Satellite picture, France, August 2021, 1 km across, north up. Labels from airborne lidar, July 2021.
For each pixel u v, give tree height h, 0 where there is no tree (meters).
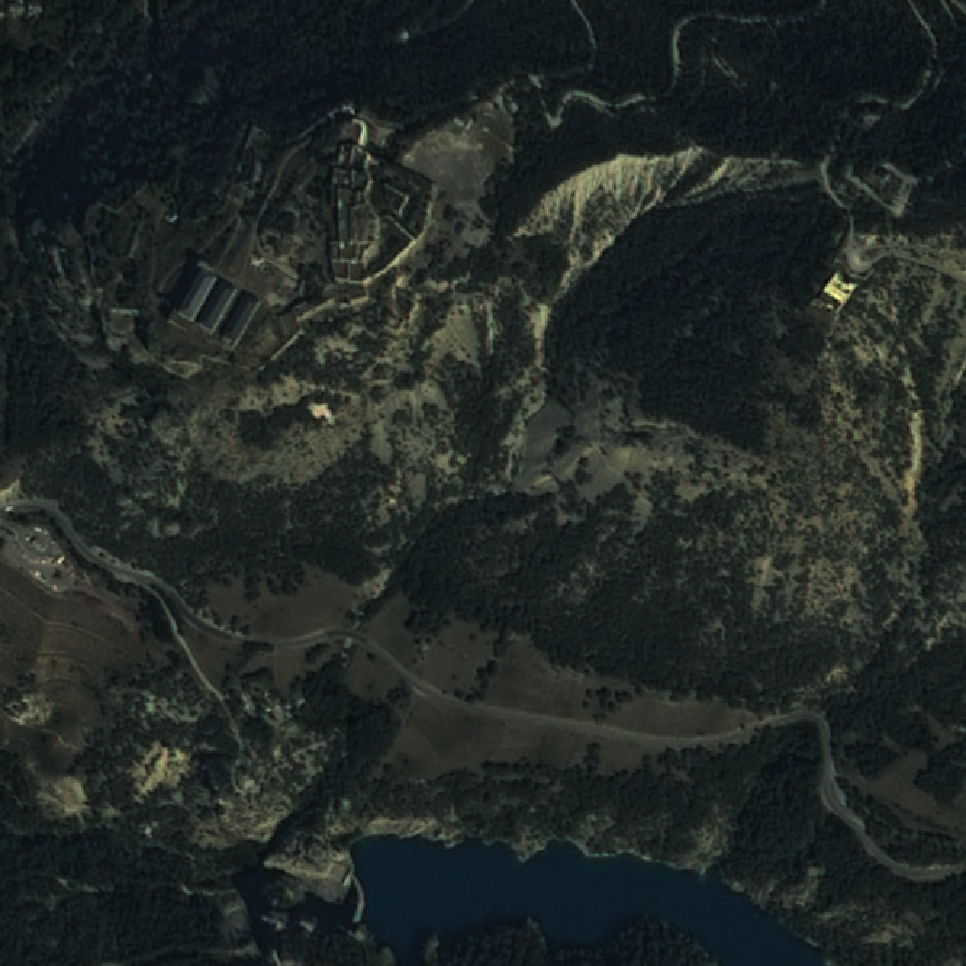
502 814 12
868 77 8
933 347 6
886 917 10
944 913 21
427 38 8
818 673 9
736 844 6
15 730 0
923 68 14
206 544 11
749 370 11
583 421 0
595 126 8
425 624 9
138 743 6
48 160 7
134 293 11
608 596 8
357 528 9
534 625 11
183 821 8
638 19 7
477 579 5
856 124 9
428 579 17
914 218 7
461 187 0
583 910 0
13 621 0
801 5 8
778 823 16
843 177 6
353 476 8
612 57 11
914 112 6
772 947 0
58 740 0
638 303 13
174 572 8
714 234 13
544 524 8
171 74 12
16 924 12
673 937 10
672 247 6
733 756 12
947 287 6
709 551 7
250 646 8
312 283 8
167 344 0
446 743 0
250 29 8
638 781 13
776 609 7
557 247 8
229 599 0
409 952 0
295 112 10
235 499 8
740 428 11
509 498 12
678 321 7
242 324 0
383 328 12
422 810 8
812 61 11
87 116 9
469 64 11
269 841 10
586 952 16
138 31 8
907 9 11
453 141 0
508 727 0
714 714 0
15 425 12
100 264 6
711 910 0
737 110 9
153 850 7
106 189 6
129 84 5
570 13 11
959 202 6
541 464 0
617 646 9
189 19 11
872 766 13
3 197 12
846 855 11
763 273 11
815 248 11
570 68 12
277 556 6
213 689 0
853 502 6
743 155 6
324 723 13
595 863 0
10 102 6
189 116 9
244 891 0
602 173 0
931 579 9
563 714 0
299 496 6
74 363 9
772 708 9
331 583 0
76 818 8
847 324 6
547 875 0
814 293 10
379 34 7
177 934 14
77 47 9
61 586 0
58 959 9
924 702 9
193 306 0
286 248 0
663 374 13
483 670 9
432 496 8
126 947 12
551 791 9
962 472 13
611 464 0
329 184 7
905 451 7
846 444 6
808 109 7
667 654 13
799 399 7
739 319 9
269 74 12
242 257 0
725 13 9
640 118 9
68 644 0
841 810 0
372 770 10
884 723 10
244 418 8
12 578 0
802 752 12
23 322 10
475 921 0
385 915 0
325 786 8
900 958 16
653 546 9
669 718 0
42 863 10
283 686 0
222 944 12
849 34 15
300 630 0
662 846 12
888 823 11
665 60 7
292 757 7
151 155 11
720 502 8
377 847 0
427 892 0
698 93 11
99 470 10
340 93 12
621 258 10
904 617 6
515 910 0
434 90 11
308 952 8
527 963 12
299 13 11
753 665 10
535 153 13
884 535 6
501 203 9
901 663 8
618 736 0
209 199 9
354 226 0
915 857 13
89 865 8
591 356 7
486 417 10
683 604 8
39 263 15
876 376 7
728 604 8
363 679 0
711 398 10
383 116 9
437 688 0
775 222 12
